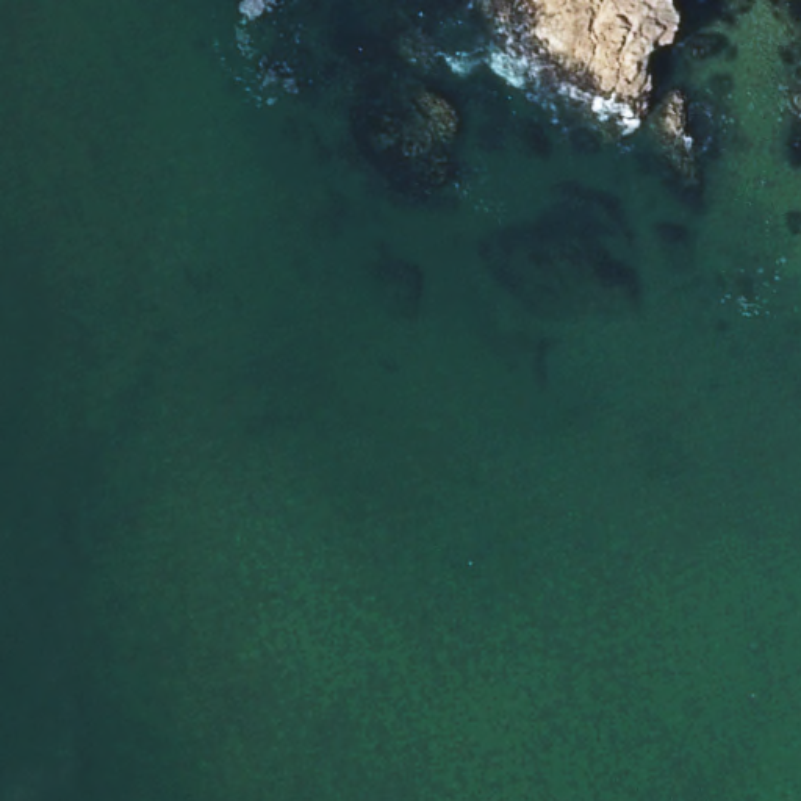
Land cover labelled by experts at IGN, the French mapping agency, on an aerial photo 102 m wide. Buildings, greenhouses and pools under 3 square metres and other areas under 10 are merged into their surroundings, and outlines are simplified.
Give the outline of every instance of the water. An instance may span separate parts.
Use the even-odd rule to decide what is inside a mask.
[[[648,106],[641,116],[635,116],[629,103],[594,97],[591,91],[582,91],[576,84],[557,84],[551,75],[541,72],[538,59],[501,53],[504,38],[494,28],[494,0],[0,0],[0,801],[801,801],[801,0],[726,0],[729,13],[738,19],[735,25],[710,22],[698,31],[688,31],[679,22],[673,44],[651,50]],[[691,147],[682,147],[666,131],[666,100],[673,94],[682,97],[682,128],[691,135]]]

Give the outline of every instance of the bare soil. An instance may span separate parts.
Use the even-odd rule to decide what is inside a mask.
[[[673,94],[666,100],[666,131],[682,147],[691,147],[691,135],[682,128],[682,97]]]
[[[673,44],[679,22],[688,31],[698,31],[710,22],[735,25],[738,19],[729,13],[726,0],[494,0],[494,28],[504,38],[501,53],[538,59],[541,72],[551,75],[557,84],[576,84],[582,91],[591,91],[594,97],[629,103],[635,116],[641,116],[648,106],[651,50]]]

